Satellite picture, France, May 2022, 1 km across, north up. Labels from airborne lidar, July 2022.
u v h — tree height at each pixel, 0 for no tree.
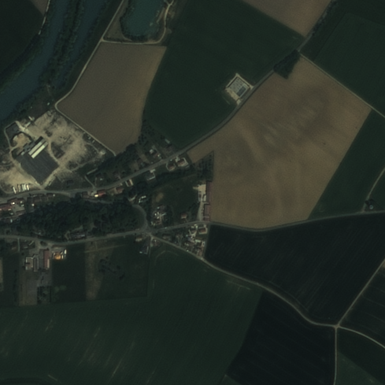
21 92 0
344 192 0
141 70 0
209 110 0
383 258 0
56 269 0
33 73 0
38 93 13
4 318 0
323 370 0
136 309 0
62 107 0
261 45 0
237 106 0
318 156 0
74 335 0
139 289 0
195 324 0
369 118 0
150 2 0
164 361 0
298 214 0
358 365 0
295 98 0
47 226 22
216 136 0
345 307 0
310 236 0
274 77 0
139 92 0
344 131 0
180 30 0
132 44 0
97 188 0
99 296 0
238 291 0
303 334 0
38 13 0
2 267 0
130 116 0
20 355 0
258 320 0
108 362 0
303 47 0
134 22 0
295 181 0
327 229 0
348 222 0
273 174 0
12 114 10
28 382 0
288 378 0
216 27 0
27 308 0
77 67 0
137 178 0
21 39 0
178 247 0
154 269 0
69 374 0
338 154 0
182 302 0
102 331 0
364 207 0
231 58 0
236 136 0
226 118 0
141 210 0
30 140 6
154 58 0
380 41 0
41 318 0
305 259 0
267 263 0
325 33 0
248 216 0
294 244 0
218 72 0
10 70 22
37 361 0
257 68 0
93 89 0
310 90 0
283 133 0
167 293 0
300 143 0
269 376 0
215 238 0
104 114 0
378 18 0
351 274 0
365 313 0
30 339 0
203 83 0
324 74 0
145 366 0
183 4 0
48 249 8
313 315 0
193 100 0
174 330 0
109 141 0
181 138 0
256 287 0
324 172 0
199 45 0
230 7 0
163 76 0
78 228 0
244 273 0
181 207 0
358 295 0
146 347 0
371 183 0
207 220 0
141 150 0
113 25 0
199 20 0
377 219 0
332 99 0
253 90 0
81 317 0
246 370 0
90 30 11
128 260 0
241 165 0
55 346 0
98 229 6
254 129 0
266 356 0
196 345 0
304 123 0
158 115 0
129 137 0
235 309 0
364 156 0
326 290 0
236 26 0
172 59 0
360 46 0
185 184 0
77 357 0
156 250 0
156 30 0
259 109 0
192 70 0
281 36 0
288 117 0
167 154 0
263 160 0
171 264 0
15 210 0
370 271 0
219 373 0
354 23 0
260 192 0
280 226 0
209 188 0
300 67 0
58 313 0
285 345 0
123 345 0
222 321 0
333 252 0
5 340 0
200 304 0
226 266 0
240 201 0
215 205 0
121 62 0
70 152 0
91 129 0
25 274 0
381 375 0
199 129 0
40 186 0
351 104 0
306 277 0
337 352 0
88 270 0
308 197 0
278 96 0
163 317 0
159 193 0
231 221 0
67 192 0
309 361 0
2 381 0
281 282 0
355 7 0
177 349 0
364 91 0
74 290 0
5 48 0
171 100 0
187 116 0
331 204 0
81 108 0
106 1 10
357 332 0
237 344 0
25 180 0
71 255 0
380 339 0
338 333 0
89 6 0
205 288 0
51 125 0
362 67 0
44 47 0
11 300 0
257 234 0
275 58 0
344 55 0
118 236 0
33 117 0
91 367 0
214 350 0
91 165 0
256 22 0
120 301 0
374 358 0
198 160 0
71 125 0
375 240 0
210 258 0
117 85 0
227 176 0
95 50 0
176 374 0
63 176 0
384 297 0
